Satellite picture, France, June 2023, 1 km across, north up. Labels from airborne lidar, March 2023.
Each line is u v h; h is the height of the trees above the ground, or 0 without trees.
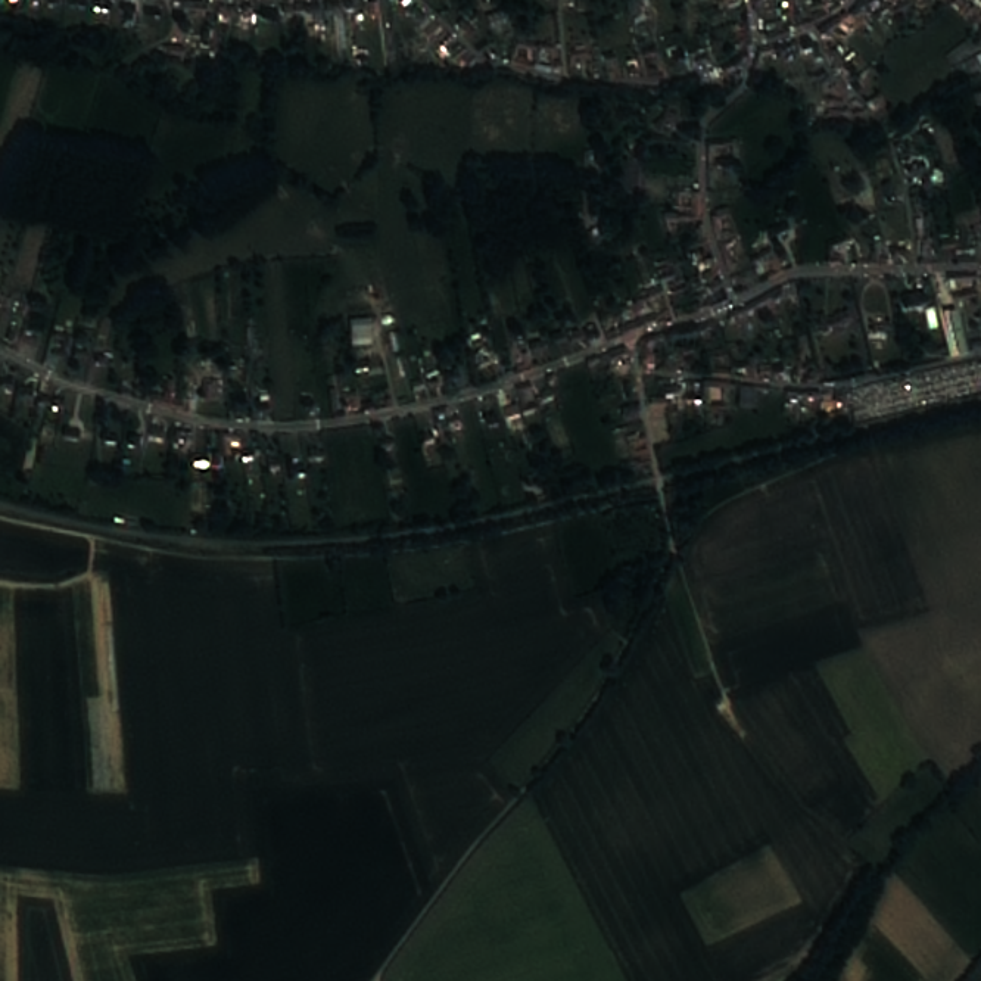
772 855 0
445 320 0
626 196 14
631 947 0
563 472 6
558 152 0
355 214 0
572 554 0
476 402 0
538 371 0
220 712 0
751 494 0
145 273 0
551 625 0
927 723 0
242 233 0
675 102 0
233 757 0
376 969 0
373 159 16
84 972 0
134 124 0
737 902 0
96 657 0
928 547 0
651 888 0
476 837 0
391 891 0
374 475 0
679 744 0
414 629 0
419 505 0
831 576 0
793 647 0
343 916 0
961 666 0
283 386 0
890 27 0
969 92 6
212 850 0
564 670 0
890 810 0
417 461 0
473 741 0
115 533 0
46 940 0
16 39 24
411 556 0
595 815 0
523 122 0
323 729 0
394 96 0
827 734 0
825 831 0
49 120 0
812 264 0
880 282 0
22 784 0
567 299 0
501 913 0
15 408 11
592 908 0
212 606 0
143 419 0
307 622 0
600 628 0
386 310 0
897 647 0
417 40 0
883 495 0
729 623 0
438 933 0
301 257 0
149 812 0
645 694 0
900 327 12
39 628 0
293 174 10
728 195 0
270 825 0
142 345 25
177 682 0
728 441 0
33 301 16
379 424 8
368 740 0
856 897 20
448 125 0
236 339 0
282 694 0
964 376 0
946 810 8
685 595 0
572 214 9
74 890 0
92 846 0
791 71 0
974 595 0
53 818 0
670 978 0
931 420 19
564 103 0
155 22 0
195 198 34
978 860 0
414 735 0
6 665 0
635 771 0
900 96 0
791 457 15
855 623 0
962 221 0
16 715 0
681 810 0
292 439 0
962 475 0
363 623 0
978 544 0
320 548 7
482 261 7
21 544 0
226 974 0
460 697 0
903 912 0
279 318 0
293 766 0
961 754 0
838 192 0
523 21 10
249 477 0
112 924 0
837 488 0
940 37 0
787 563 0
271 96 18
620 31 0
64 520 0
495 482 0
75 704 0
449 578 0
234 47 13
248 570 0
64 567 0
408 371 0
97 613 0
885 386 0
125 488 0
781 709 0
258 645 0
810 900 0
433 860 0
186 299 0
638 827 0
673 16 0
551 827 0
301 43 15
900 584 0
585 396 0
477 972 0
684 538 6
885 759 0
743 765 0
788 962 0
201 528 11
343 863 0
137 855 0
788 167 14
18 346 0
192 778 0
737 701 0
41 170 35
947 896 0
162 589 0
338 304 0
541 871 0
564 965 0
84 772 0
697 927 0
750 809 0
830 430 15
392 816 0
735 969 0
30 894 0
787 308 0
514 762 0
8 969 0
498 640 0
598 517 0
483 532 12
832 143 0
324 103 0
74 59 17
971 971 7
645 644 0
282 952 0
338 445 0
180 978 0
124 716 0
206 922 0
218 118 16
